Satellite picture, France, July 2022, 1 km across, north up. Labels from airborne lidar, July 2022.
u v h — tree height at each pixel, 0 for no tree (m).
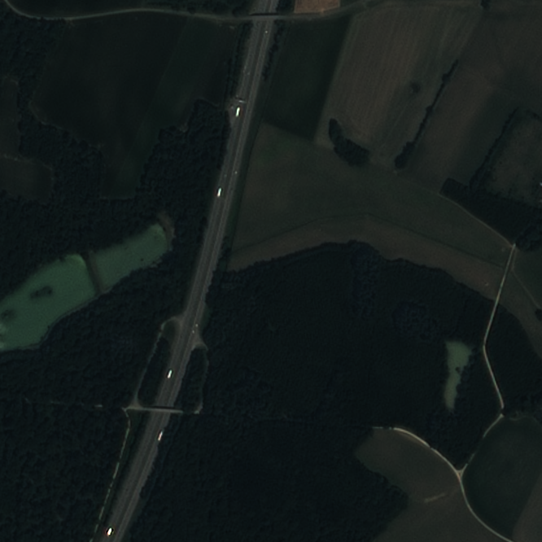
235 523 20
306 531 23
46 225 19
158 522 23
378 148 0
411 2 0
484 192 9
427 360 11
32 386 18
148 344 18
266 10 0
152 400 12
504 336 11
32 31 17
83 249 16
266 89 0
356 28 0
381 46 0
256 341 10
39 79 14
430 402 10
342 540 18
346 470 21
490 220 7
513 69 0
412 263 9
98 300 8
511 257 0
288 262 9
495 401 11
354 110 0
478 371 11
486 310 12
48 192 0
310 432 24
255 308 19
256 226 0
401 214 0
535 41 0
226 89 7
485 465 0
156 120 0
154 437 0
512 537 0
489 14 0
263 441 20
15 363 22
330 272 11
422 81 0
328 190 0
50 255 13
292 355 11
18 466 14
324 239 0
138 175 0
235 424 14
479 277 0
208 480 27
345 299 11
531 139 0
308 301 10
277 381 10
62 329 18
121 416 28
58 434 24
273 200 0
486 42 0
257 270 19
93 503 17
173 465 16
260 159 0
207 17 0
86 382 24
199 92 0
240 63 9
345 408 21
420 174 0
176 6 9
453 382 0
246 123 0
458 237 0
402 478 0
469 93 0
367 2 0
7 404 30
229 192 0
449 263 0
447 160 0
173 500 21
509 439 0
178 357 0
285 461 23
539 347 0
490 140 0
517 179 0
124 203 15
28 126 16
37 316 0
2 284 19
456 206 0
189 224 22
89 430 24
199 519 19
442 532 0
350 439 25
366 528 21
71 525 18
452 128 0
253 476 24
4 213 20
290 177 0
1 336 0
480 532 0
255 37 0
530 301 0
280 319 9
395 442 0
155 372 24
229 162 0
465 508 0
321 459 26
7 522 14
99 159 16
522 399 22
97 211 19
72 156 14
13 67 11
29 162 0
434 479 0
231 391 26
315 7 0
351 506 22
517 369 12
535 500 0
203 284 0
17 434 25
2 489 17
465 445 10
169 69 0
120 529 0
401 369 10
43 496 13
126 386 17
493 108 0
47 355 19
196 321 0
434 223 0
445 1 0
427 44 0
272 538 16
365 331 10
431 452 0
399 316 29
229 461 19
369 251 34
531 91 0
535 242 19
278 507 23
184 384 9
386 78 0
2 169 0
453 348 0
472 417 12
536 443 0
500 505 0
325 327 10
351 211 0
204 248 0
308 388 10
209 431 25
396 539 0
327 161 0
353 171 0
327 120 0
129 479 0
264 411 19
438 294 12
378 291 11
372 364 10
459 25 0
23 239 17
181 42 0
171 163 21
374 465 0
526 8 0
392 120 0
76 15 0
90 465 19
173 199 22
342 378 21
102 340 20
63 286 0
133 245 0
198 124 13
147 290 16
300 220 0
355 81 0
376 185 0
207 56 0
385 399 11
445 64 0
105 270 0
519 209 9
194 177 27
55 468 11
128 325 18
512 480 0
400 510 13
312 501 21
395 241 0
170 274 16
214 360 17
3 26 25
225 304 11
